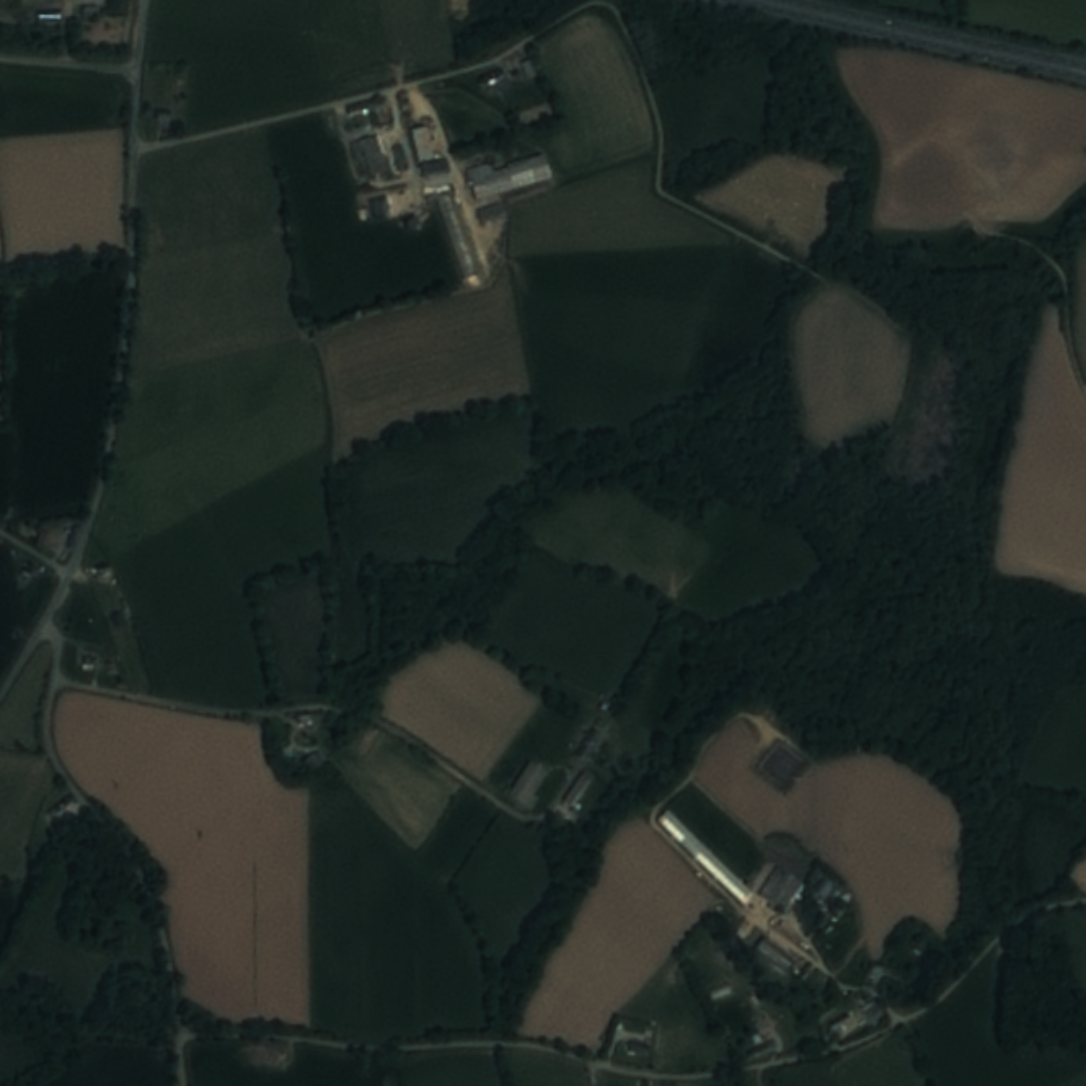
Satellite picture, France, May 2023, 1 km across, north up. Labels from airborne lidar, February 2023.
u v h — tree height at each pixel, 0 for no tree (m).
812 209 0
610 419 0
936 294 15
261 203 0
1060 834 0
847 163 18
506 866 0
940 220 0
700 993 7
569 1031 0
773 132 16
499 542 19
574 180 0
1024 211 0
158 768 0
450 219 0
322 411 0
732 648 11
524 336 0
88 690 0
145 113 12
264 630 13
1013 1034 21
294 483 0
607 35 0
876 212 0
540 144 0
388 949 0
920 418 0
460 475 0
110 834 14
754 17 14
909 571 11
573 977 0
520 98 0
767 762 0
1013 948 20
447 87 0
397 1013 0
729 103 0
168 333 0
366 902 0
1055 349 0
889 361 0
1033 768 0
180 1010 10
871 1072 0
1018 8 0
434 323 0
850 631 9
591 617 0
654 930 0
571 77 0
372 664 9
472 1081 0
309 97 0
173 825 0
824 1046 11
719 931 16
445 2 0
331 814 0
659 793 18
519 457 0
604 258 0
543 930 16
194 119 0
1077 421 0
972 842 21
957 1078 0
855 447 15
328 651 15
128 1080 0
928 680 16
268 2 0
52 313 0
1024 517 0
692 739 19
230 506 0
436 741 0
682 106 0
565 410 0
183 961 0
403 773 0
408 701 0
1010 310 9
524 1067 0
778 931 0
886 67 0
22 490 0
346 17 0
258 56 0
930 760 8
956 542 13
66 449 0
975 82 0
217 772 0
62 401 0
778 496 13
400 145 0
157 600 0
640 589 15
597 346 0
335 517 11
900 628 16
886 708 7
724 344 0
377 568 17
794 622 16
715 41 15
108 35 0
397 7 0
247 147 0
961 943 9
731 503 18
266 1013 0
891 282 17
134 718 0
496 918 0
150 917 14
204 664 0
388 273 0
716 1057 0
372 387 0
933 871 0
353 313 8
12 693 0
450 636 17
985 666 15
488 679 0
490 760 0
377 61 0
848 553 9
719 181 12
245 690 0
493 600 14
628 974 0
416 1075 0
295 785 8
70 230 0
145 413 0
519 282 0
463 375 0
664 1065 0
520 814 0
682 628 21
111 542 0
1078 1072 0
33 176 0
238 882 0
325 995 0
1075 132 0
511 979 15
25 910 12
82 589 0
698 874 0
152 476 0
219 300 0
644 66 18
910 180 0
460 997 0
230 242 0
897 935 9
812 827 0
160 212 0
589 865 22
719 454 17
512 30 16
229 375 0
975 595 17
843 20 0
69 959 0
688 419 18
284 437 0
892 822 0
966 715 18
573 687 0
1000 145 0
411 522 0
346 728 10
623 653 0
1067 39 0
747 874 0
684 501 7
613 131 0
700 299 0
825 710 8
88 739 0
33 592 0
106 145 0
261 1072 0
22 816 0
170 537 0
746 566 0
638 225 0
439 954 0
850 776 0
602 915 0
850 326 0
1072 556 0
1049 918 19
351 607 0
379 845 0
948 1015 0
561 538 0
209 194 0
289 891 0
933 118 0
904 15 12
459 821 0
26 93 0
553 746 0
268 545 0
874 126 0
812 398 0
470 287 0
